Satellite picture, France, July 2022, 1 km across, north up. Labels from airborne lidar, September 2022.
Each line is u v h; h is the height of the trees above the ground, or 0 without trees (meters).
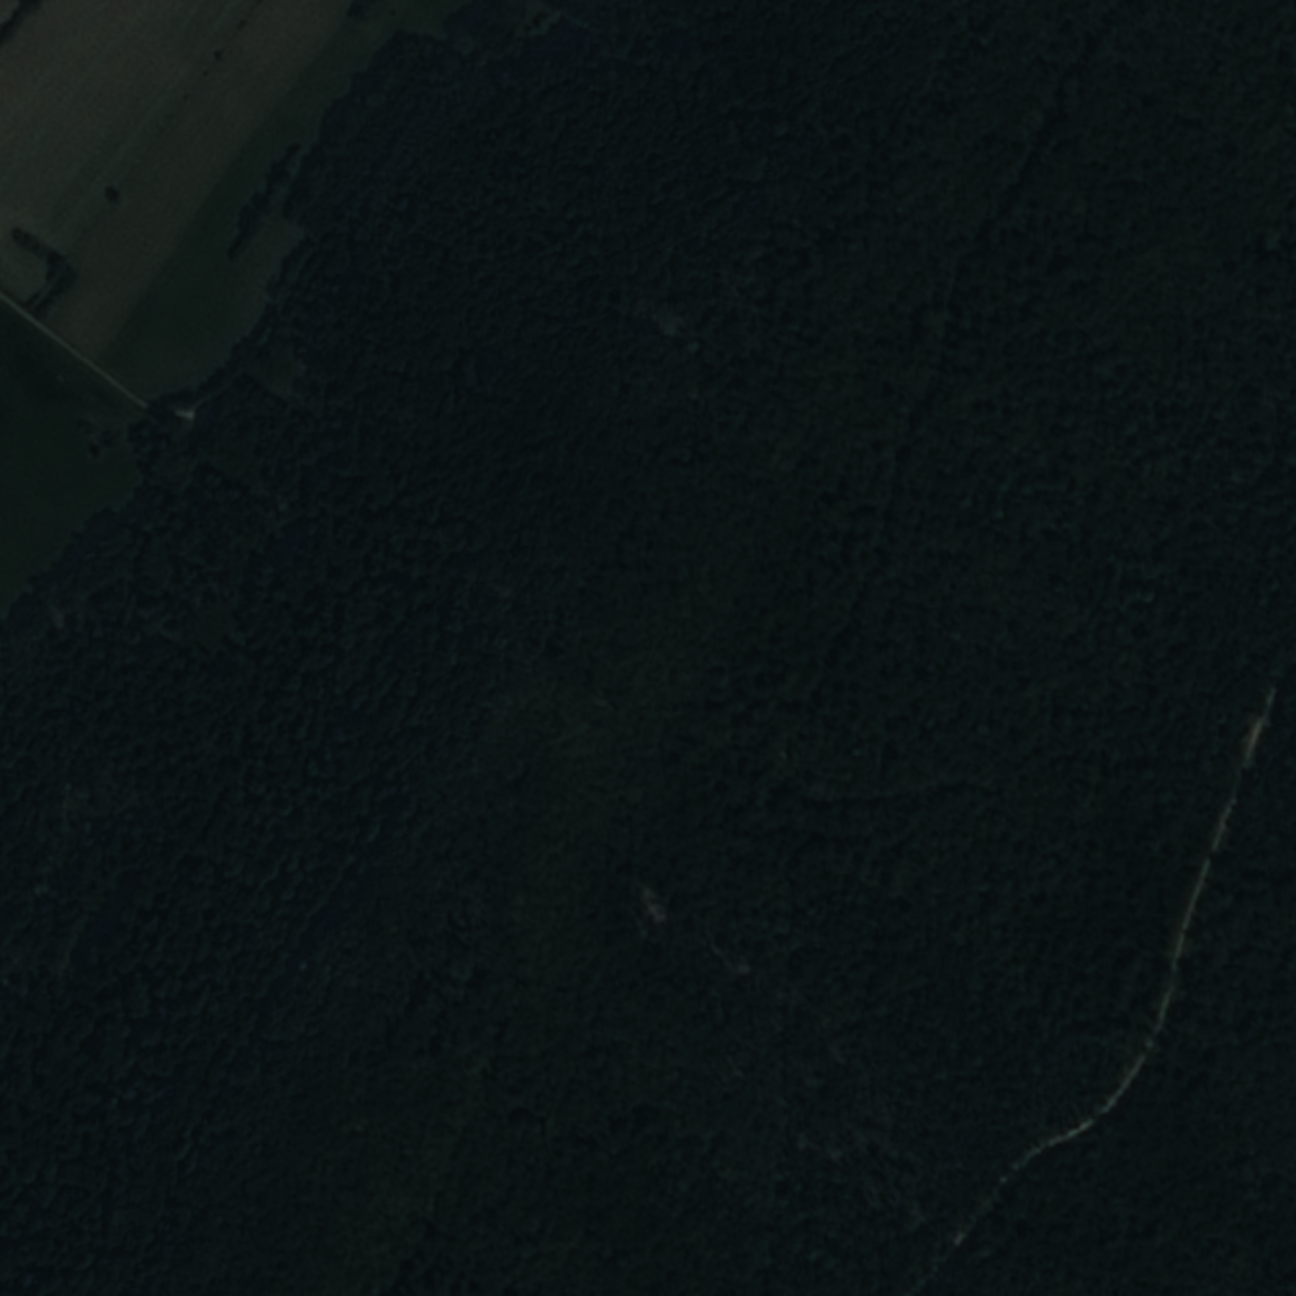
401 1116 19
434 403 27
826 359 19
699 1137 19
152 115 0
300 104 0
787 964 9
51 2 0
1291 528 17
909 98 16
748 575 26
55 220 0
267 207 14
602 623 15
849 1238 14
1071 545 27
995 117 22
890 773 21
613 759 17
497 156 15
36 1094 30
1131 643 26
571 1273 21
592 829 22
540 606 18
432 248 32
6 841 15
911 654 20
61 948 18
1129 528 15
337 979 11
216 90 0
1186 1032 7
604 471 22
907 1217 22
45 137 0
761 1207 16
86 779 20
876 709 20
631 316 14
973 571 20
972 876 21
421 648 29
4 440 0
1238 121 23
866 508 24
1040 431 18
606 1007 21
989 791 20
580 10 30
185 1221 22
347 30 0
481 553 29
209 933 20
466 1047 22
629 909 16
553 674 15
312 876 22
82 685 24
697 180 34
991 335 25
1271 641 20
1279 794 19
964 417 17
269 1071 19
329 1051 19
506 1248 20
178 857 10
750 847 14
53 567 0
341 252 13
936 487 20
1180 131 24
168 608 22
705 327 18
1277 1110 16
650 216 36
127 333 0
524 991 22
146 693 29
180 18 0
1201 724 20
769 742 19
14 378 0
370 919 17
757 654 20
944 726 18
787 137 26
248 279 0
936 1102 22
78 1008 32
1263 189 23
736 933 20
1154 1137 15
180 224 0
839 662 18
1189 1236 17
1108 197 19
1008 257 20
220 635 0
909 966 22
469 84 26
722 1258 20
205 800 26
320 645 12
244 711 27
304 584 20
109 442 7
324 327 29
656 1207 30
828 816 22
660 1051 20
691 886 13
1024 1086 18
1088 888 8
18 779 23
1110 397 21
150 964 25
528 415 38
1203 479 23
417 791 22
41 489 0
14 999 26
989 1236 19
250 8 0
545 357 35
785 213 14
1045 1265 18
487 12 26
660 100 44
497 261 23
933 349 18
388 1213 19
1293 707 17
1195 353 23
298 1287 14
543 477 28
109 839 30
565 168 35
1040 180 25
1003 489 9
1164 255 20
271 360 23
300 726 25
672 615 14
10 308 0
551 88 33
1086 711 22
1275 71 23
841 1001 17
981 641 20
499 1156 23
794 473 23
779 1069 11
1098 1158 9
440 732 26
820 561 23
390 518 27
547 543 17
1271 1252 15
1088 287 23
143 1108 28
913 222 21
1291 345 21
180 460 26
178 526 19
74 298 0
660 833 19
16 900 21
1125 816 9
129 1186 26
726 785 27
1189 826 7
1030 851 20
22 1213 31
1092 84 21
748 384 22
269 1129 13
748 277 13
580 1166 20
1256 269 23
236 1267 18
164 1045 31
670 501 19
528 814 21
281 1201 22
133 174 0
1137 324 20
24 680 10
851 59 30
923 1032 22
